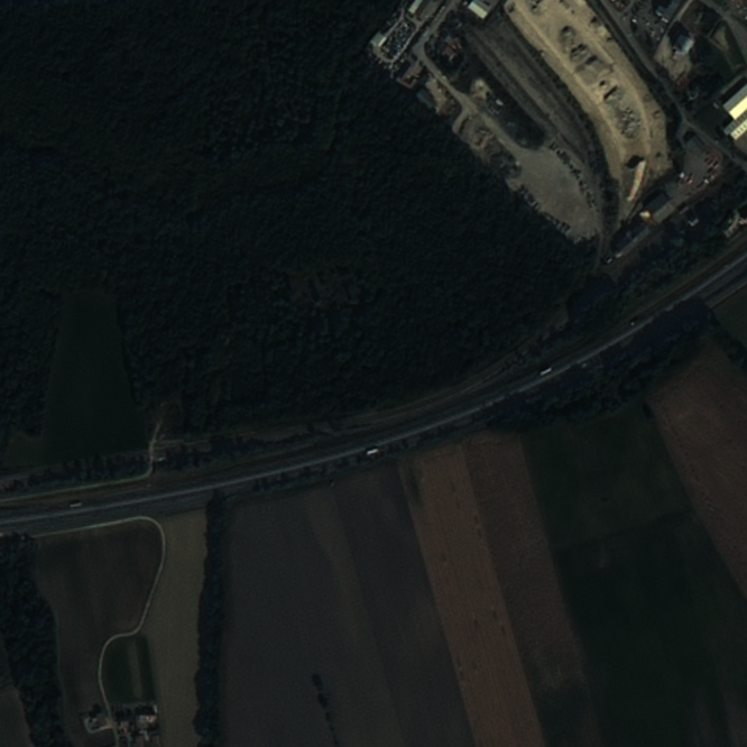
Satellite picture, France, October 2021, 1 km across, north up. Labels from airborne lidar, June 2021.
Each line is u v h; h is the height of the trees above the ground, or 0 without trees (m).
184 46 21
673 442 0
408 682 0
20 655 21
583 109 5
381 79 20
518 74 0
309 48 20
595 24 0
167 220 24
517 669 0
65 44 22
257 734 0
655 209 0
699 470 0
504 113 0
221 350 22
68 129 27
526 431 17
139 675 0
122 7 22
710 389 0
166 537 0
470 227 22
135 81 25
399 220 22
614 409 5
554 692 0
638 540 0
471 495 0
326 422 0
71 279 22
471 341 21
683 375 0
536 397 7
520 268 20
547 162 0
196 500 0
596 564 0
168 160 22
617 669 0
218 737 22
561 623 0
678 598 0
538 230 19
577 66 0
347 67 17
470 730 0
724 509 0
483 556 0
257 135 8
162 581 0
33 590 12
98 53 23
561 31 0
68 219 22
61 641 0
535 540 0
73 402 0
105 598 0
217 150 10
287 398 18
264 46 14
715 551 0
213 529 17
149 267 24
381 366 21
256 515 0
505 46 0
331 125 18
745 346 0
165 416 0
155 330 19
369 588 0
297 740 0
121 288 19
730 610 0
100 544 0
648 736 0
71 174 23
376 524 0
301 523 0
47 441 0
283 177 27
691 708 0
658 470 0
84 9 23
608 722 0
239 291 19
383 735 0
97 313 0
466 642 0
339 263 24
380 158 18
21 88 22
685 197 0
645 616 0
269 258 25
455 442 0
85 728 0
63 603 0
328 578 0
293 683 0
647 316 0
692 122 0
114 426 0
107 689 0
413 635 0
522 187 0
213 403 13
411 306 22
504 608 0
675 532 0
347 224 23
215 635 20
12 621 18
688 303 0
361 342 22
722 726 0
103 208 22
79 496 0
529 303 21
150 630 0
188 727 0
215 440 0
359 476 0
